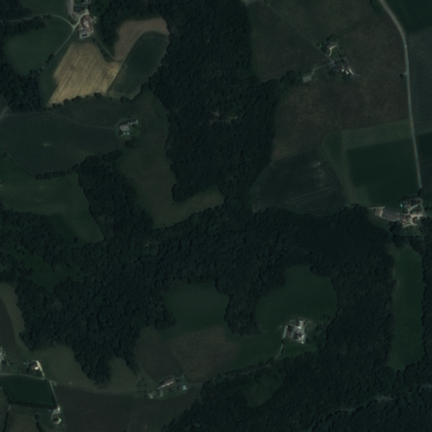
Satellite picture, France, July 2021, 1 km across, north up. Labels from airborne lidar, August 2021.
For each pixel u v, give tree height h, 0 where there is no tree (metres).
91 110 0
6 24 14
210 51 15
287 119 0
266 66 0
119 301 15
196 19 9
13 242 7
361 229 20
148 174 0
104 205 12
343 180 0
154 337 0
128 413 0
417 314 0
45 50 0
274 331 0
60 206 0
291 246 28
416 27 0
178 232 23
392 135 0
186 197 21
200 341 0
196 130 9
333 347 26
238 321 26
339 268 28
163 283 11
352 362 22
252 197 11
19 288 16
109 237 15
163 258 11
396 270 0
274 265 23
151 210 0
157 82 11
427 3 0
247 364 0
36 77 6
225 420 24
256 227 25
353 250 19
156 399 0
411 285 0
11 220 22
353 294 22
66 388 0
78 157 0
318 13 0
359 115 0
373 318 24
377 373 23
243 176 22
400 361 0
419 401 16
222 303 0
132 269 27
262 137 20
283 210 11
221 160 29
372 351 21
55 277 0
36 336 31
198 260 25
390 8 0
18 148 0
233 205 28
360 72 0
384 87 0
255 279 21
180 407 0
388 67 0
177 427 27
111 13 28
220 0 27
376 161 0
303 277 0
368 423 22
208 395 18
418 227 0
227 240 29
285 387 13
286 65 0
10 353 0
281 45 0
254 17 0
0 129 0
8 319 0
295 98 0
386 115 0
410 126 0
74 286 23
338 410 16
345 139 0
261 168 13
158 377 0
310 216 13
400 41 0
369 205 0
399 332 0
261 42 0
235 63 27
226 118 27
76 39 0
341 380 28
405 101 0
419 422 20
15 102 21
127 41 0
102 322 33
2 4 13
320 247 14
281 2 0
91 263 18
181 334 0
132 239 23
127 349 26
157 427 0
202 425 18
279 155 0
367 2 0
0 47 10
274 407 15
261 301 8
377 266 29
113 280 26
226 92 21
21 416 0
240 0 21
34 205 0
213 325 0
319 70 0
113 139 0
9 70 24
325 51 7
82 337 21
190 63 31
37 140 0
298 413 24
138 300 22
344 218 19
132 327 17
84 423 0
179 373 0
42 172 0
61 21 0
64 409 0
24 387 0
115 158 24
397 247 12
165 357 0
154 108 0
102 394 0
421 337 0
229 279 20
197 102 19
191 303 0
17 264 20
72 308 21
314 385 22
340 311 14
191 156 15
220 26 25
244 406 14
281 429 20
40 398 0
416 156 0
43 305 7
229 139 28
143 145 0
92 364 24
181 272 17
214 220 27
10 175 0
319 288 0
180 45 24
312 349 0
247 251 23
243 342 0
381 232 23
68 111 0
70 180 0
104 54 6
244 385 10
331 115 0
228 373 11
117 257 24
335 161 0
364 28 0
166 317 22
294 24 0
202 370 0
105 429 0
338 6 0
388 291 19
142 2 24
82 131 0
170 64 17
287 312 0
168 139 6
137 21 0
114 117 0
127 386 0
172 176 0
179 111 7
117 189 26
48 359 0
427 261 20
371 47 0
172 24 16
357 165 0
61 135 0
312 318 0
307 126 0
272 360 12
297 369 20
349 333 26
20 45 0
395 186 0
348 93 0
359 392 15
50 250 26
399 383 23
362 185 0
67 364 0
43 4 0
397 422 19
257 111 27
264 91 15
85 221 0
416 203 13
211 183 18
